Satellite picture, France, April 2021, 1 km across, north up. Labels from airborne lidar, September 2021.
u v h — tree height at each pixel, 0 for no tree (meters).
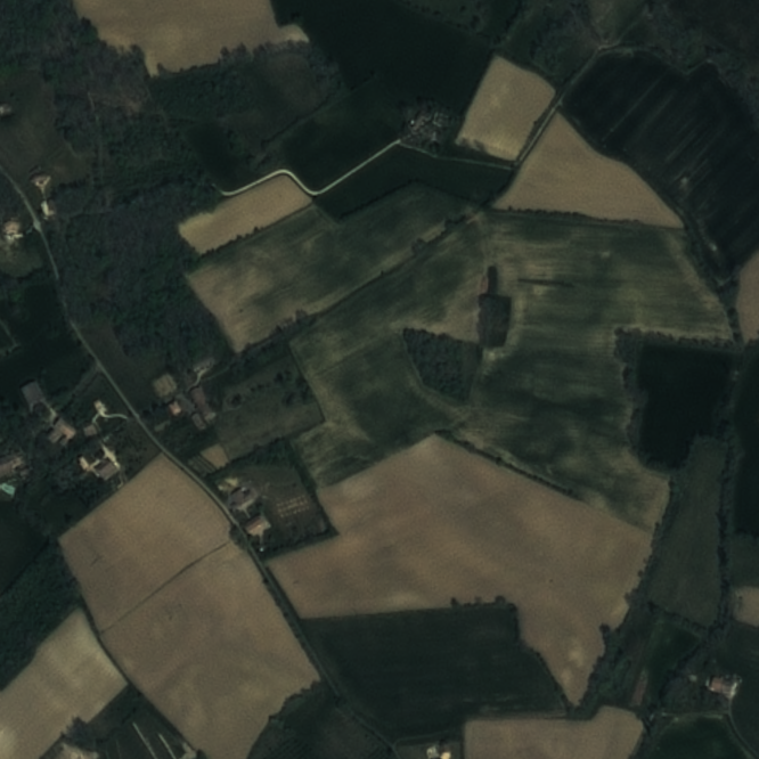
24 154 0
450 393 11
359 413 0
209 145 0
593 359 0
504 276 0
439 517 0
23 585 10
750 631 0
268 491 0
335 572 0
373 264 0
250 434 0
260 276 0
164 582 0
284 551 8
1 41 21
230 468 11
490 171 0
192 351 30
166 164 11
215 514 0
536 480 7
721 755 0
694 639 0
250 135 0
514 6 0
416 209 0
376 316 0
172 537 0
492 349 0
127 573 0
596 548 0
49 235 9
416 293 0
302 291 0
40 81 0
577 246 0
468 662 0
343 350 0
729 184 0
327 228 0
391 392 0
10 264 0
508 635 0
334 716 0
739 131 0
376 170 0
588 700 13
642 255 0
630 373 10
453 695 0
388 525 0
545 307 0
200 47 0
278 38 0
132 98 13
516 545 0
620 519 0
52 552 12
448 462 0
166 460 0
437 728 0
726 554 8
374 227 0
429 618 0
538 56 16
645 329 0
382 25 0
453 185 0
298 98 0
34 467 14
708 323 0
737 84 15
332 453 0
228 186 0
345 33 0
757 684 0
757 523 0
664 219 0
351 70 0
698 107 0
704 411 0
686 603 0
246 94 9
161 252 22
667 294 0
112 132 15
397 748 0
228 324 0
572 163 0
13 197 17
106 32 0
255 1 0
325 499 0
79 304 19
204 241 0
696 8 0
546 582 0
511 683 0
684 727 0
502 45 13
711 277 10
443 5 0
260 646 0
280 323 0
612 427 0
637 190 0
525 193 0
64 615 13
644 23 0
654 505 0
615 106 0
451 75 0
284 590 0
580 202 0
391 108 0
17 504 9
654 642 0
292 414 0
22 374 0
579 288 0
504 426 0
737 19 0
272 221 0
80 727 21
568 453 0
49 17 24
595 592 0
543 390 0
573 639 0
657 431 0
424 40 0
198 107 8
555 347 0
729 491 12
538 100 0
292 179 0
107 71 16
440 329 0
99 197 18
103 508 0
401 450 0
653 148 0
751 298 0
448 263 0
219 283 0
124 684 0
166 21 0
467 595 0
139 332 26
